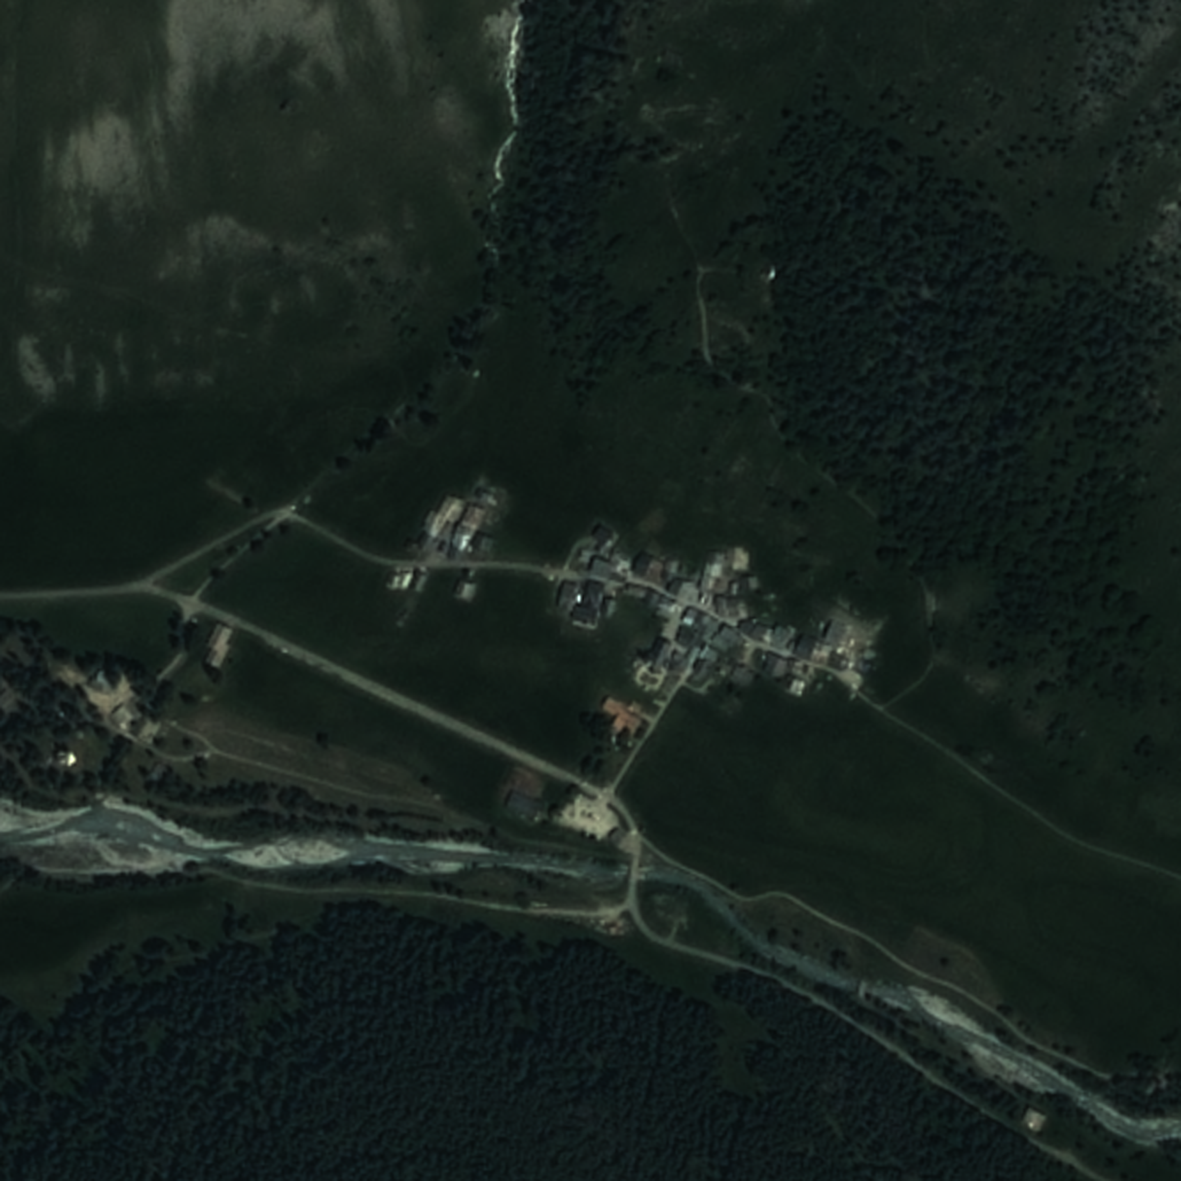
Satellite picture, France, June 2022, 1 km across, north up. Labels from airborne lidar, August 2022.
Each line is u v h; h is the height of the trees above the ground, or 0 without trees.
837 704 0
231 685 0
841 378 19
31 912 0
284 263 0
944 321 15
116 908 0
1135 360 15
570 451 0
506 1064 26
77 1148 11
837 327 17
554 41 12
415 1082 20
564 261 27
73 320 0
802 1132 21
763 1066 20
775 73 0
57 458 0
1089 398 9
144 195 0
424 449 0
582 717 7
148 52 0
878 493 12
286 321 0
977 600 0
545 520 0
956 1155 22
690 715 0
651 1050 23
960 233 12
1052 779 0
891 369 28
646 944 0
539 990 27
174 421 0
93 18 0
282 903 0
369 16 0
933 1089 16
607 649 0
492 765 0
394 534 0
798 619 0
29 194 0
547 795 0
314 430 0
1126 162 9
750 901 0
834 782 0
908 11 0
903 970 0
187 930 0
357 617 0
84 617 0
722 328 0
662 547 0
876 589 0
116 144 0
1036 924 0
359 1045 20
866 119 0
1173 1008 0
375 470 0
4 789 25
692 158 0
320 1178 25
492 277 17
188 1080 25
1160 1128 0
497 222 7
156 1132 26
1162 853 0
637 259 0
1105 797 0
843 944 0
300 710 0
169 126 0
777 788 0
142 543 0
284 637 0
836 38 0
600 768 12
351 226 0
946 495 17
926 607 0
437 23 0
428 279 0
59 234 0
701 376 6
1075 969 0
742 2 0
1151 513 0
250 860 0
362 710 0
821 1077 21
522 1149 21
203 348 0
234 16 0
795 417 11
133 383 0
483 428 0
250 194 0
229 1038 22
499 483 0
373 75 0
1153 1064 11
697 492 0
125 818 0
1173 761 0
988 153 0
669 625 0
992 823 0
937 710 0
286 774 0
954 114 0
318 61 0
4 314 0
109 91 0
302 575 0
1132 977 0
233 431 0
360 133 0
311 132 0
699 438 0
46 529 0
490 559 0
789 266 19
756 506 0
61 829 0
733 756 0
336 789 0
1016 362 9
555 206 16
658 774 0
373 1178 24
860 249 17
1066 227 0
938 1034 13
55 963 0
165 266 0
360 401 0
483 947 22
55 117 0
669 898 0
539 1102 24
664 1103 25
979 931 0
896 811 0
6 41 0
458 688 0
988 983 0
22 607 0
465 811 0
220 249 0
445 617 0
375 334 0
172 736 0
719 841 0
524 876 8
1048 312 15
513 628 0
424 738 0
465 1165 8
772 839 0
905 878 0
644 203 0
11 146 0
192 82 0
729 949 0
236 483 0
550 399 0
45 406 0
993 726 0
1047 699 13
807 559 0
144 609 0
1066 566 13
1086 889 0
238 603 0
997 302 14
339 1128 25
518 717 0
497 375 0
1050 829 0
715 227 0
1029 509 14
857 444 17
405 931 26
